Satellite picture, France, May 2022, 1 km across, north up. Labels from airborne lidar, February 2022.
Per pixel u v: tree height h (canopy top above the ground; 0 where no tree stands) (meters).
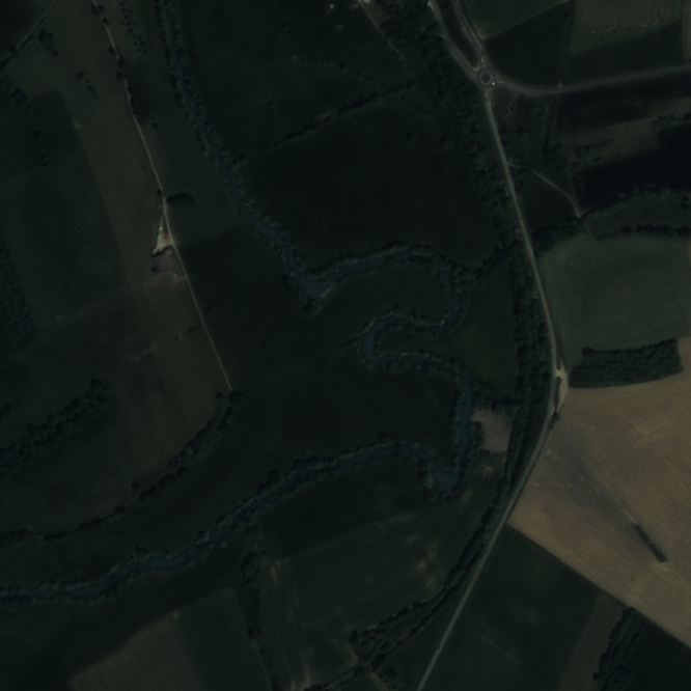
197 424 0
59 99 0
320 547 0
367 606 0
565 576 0
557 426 0
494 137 0
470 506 0
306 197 0
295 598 0
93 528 12
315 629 0
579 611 0
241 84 0
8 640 0
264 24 0
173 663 0
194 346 0
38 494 0
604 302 0
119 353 0
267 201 0
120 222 0
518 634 0
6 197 0
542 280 0
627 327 0
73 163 0
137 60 0
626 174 0
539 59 0
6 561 0
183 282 0
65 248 0
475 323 0
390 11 14
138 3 0
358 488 0
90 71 0
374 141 0
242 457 0
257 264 0
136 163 0
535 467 0
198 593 0
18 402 0
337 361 0
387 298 0
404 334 0
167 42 7
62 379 0
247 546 0
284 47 0
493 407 17
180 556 0
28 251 0
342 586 0
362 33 0
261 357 0
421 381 0
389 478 0
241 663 0
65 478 0
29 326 15
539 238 19
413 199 0
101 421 0
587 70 0
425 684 0
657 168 0
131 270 0
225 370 0
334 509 0
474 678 0
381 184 0
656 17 0
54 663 0
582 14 0
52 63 0
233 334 0
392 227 0
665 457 0
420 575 0
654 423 0
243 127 0
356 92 0
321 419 0
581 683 0
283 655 0
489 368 0
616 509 0
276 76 0
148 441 0
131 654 0
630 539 0
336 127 0
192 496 0
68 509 0
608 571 0
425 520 0
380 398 0
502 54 0
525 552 0
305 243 0
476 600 0
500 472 0
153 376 0
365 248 0
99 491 0
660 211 0
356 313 0
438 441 0
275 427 0
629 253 0
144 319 0
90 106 0
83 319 0
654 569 0
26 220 0
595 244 0
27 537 16
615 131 0
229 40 0
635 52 0
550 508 0
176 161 0
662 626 0
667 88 0
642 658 0
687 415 0
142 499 11
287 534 0
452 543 0
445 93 14
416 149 0
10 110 0
